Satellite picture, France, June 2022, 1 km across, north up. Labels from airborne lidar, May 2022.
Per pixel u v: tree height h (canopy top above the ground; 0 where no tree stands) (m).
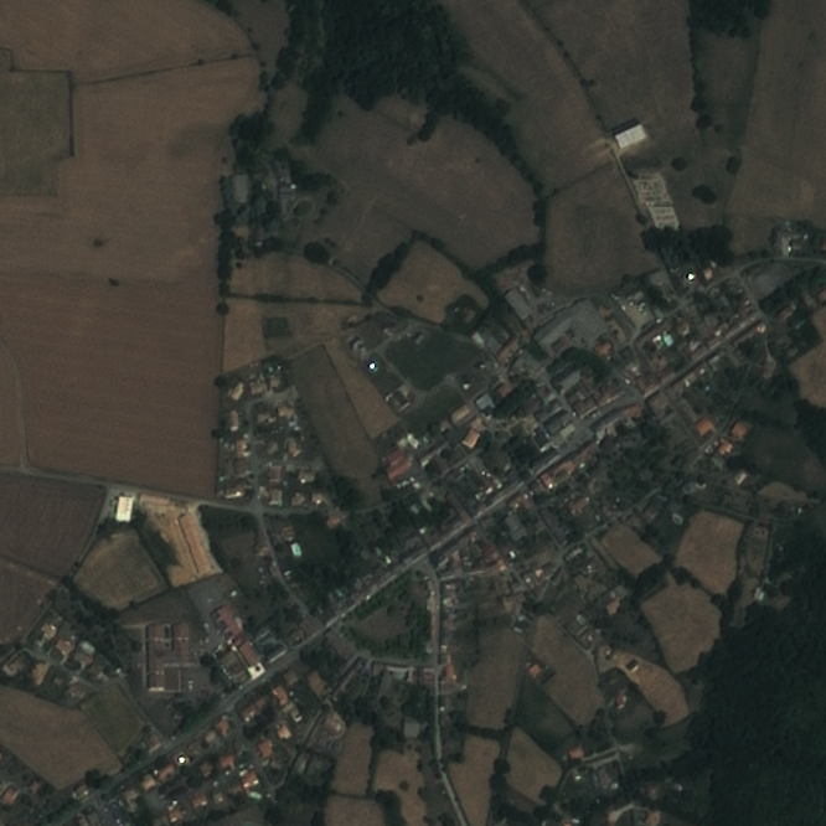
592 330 0
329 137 0
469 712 0
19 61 0
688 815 11
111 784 18
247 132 18
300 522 7
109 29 0
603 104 0
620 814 0
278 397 0
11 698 0
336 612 0
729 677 12
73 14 0
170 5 0
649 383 0
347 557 11
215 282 0
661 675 0
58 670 0
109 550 0
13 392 0
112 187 0
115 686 0
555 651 0
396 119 0
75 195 0
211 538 6
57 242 0
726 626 13
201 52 0
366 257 0
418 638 8
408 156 0
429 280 0
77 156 0
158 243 0
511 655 0
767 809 15
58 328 0
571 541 13
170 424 0
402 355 0
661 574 14
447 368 0
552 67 0
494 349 0
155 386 0
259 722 8
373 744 12
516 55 0
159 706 0
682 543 0
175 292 0
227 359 0
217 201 0
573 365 20
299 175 16
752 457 0
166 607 0
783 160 0
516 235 0
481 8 0
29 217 0
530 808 0
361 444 0
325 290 0
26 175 0
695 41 11
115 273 0
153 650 0
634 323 0
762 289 0
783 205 0
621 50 0
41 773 0
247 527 11
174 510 0
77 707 0
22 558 0
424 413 0
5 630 0
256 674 0
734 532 0
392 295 0
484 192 0
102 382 0
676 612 0
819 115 0
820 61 0
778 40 0
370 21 12
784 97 0
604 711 9
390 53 9
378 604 6
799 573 15
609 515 0
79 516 0
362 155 0
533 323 0
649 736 13
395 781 0
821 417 8
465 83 12
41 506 0
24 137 0
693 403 0
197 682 0
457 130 0
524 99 0
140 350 0
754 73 0
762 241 0
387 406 0
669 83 0
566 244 0
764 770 14
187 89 0
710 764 18
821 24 0
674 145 0
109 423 0
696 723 13
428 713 6
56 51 0
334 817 0
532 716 0
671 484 11
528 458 20
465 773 0
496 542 10
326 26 7
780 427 12
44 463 0
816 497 12
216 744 0
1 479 0
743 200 0
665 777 17
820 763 22
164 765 9
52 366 0
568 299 0
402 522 5
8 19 0
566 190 0
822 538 7
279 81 15
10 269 0
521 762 0
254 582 0
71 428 0
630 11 0
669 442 7
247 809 0
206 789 0
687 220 0
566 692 0
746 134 0
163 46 0
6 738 0
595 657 6
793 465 0
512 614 0
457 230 0
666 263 14
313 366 0
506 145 18
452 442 0
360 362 0
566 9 0
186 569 0
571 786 0
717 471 6
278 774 8
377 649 7
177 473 0
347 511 6
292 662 0
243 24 0
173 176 0
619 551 0
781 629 17
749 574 6
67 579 12
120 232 0
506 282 0
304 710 6
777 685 18
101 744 0
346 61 12
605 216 0
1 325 0
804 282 17
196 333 0
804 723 10
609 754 0
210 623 0
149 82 0
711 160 0
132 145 0
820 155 0
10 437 0
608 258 0
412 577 6
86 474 0
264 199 11
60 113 0
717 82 0
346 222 0
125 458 0
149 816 5
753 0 10
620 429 9
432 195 0
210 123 0
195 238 0
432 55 11
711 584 0
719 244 16
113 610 9
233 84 0
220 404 0
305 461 0
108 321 0
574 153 0
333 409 0
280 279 0
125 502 0
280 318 0
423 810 0
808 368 0
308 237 0
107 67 0
